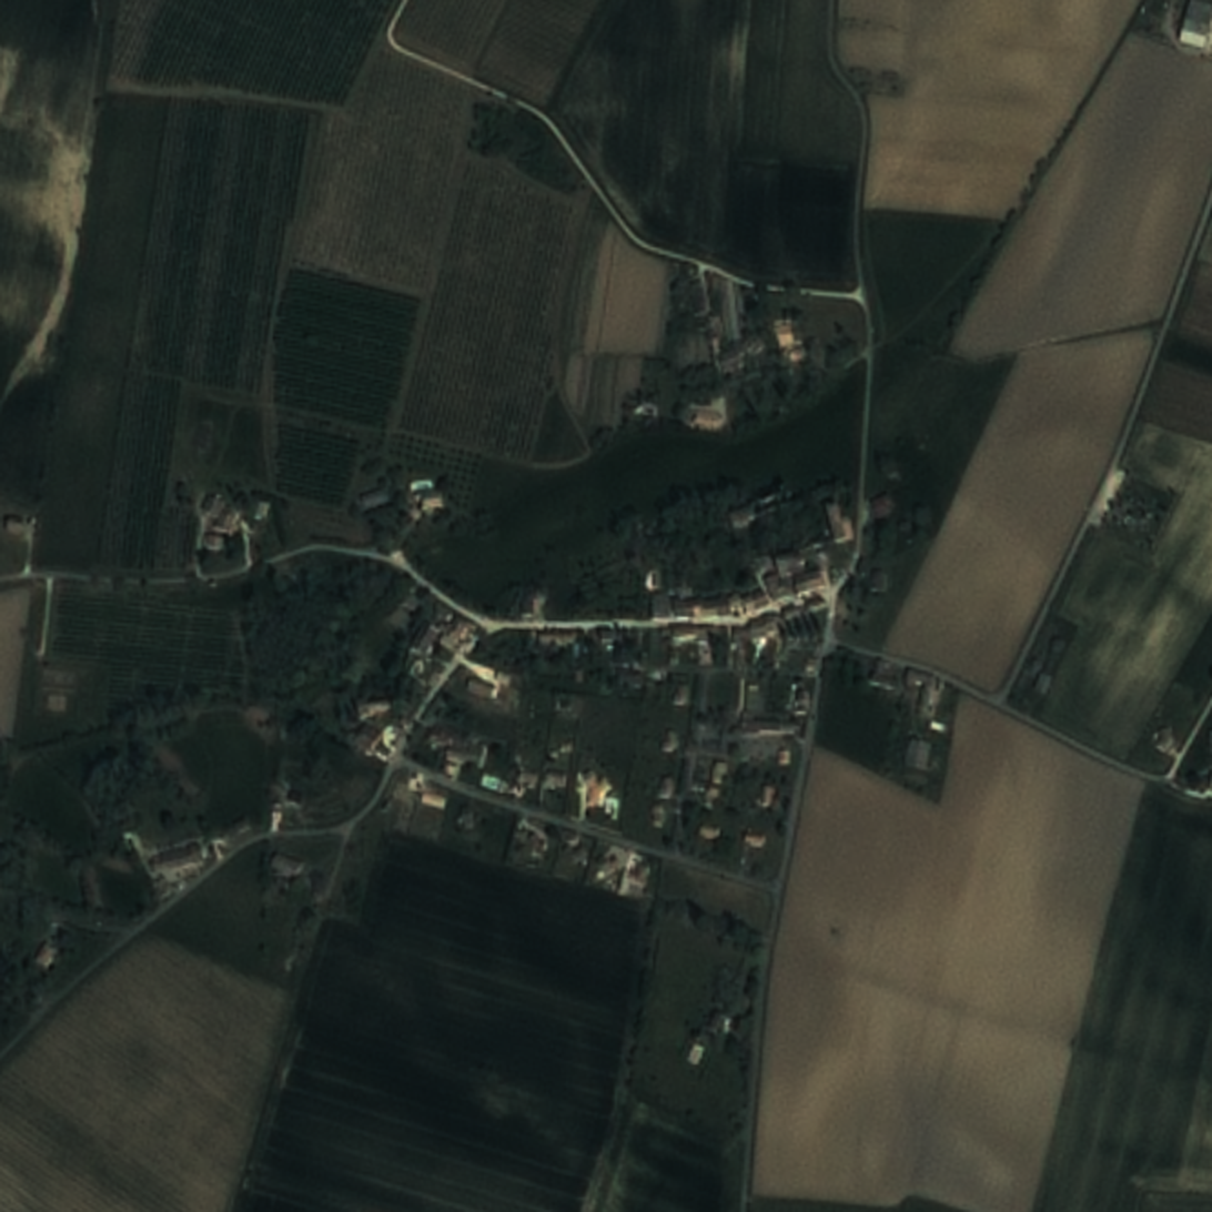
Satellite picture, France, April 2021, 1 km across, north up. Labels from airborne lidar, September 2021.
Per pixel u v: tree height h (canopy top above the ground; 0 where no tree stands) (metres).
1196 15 0
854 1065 0
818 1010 0
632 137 0
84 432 0
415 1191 0
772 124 0
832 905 0
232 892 0
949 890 0
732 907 0
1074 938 0
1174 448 0
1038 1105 0
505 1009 0
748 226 0
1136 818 0
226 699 8
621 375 0
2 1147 0
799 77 0
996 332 0
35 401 0
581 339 0
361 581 13
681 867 0
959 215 0
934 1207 0
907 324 0
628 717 0
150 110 0
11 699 0
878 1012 0
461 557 0
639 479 0
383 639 0
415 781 0
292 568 0
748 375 6
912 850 0
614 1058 0
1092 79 0
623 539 18
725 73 0
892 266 0
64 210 0
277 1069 0
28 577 0
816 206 0
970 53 0
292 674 22
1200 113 0
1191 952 0
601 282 0
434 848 0
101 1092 0
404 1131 0
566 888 0
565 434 0
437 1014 0
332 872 0
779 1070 0
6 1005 6
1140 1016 0
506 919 0
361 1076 0
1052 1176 0
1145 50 0
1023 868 0
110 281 0
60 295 0
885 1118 0
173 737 16
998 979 0
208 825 10
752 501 15
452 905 0
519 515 0
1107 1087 0
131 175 0
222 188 6
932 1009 0
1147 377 0
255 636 16
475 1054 0
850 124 0
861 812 0
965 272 0
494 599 0
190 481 0
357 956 0
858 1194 0
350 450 7
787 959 0
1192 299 0
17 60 0
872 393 0
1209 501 0
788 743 10
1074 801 0
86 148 0
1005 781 0
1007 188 0
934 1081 0
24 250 0
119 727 17
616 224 0
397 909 0
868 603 11
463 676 0
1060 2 0
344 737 6
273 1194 0
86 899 8
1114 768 0
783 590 0
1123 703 0
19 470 0
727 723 11
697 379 9
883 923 0
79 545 0
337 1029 0
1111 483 0
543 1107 0
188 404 0
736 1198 0
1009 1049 0
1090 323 0
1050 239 0
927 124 0
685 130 0
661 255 0
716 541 9
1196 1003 0
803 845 0
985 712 0
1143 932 0
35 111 0
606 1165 0
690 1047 0
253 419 0
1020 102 0
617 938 0
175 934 0
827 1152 0
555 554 10
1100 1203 0
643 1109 0
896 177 0
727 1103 0
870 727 0
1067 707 0
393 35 0
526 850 7
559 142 0
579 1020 0
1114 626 0
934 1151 0
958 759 0
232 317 6
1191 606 0
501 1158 0
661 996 0
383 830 0
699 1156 0
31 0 0
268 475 0
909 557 0
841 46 0
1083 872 0
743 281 0
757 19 0
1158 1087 0
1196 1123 0
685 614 0
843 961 0
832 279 0
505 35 0
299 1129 0
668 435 7
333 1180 0
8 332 0
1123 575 0
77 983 0
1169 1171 0
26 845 14
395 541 16
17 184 0
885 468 17
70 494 0
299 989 0
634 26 0
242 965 0
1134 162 0
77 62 0
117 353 0
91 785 16
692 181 0
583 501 0
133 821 13
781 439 0
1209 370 0
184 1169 0
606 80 0
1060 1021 0
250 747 0
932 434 0
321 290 7
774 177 0
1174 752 0
